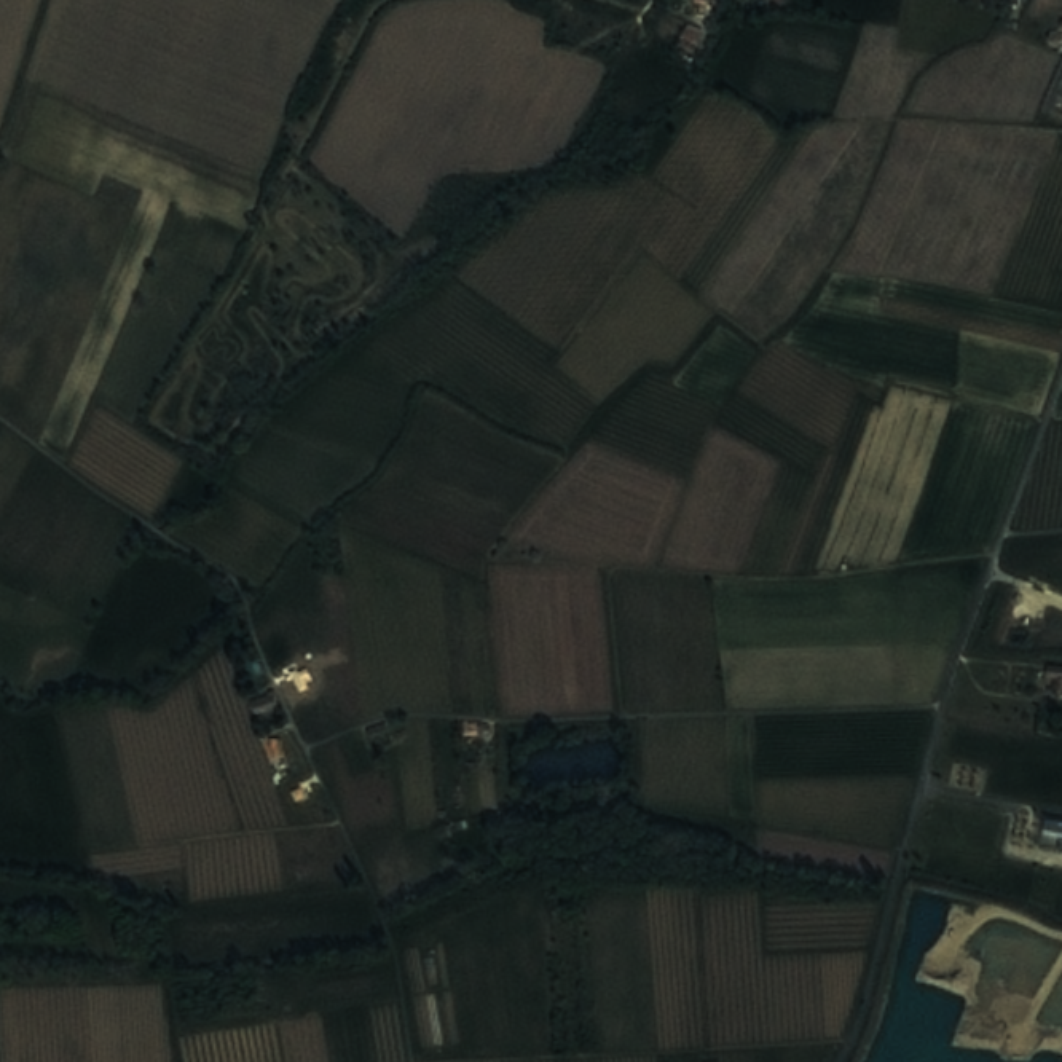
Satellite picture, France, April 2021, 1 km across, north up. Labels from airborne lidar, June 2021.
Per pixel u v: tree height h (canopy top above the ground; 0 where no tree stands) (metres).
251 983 9
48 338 0
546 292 0
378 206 0
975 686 0
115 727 0
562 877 12
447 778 0
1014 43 0
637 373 0
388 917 15
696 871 21
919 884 0
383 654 0
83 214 0
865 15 0
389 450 7
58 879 17
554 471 0
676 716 0
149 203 0
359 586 0
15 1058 0
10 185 0
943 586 0
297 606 0
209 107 0
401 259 0
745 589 0
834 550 0
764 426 0
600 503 0
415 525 0
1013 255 0
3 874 17
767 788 0
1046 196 0
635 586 0
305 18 0
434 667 0
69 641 0
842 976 0
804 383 0
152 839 0
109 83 0
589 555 0
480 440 0
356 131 0
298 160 8
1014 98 0
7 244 0
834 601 0
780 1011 0
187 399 0
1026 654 0
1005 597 0
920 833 0
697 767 0
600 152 9
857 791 0
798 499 0
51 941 12
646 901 0
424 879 0
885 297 0
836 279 0
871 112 0
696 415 0
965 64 0
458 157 0
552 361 0
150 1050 0
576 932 6
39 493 0
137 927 14
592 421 0
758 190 0
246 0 0
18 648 0
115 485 0
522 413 0
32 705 6
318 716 0
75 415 0
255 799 0
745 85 0
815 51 0
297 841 0
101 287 0
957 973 0
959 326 0
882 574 0
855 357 0
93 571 0
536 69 0
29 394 0
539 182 12
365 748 0
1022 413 0
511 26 0
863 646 0
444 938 0
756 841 0
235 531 0
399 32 0
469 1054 0
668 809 0
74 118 0
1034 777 0
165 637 0
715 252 0
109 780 0
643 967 0
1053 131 0
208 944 0
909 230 0
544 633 0
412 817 0
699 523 0
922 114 0
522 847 24
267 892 0
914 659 0
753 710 0
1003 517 0
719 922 0
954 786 0
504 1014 0
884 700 0
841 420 0
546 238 0
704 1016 0
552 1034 8
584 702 0
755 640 0
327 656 0
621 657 0
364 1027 0
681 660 0
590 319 0
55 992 0
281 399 13
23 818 0
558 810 16
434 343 0
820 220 0
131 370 0
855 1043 0
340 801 0
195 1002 10
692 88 14
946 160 0
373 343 0
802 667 0
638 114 0
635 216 0
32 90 0
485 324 0
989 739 0
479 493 0
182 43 0
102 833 0
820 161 0
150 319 0
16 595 0
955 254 0
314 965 23
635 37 0
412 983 0
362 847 0
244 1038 0
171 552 11
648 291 0
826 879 12
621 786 21
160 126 0
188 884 0
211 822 0
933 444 0
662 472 0
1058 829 0
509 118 0
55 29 0
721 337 0
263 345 0
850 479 0
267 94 0
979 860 0
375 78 0
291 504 0
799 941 0
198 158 0
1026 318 0
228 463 10
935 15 0
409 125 0
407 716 8
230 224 0
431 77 0
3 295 0
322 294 0
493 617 0
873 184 0
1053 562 0
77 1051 0
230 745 0
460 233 12
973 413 0
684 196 0
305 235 0
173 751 0
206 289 0
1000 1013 0
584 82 0
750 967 0
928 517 0
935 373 0
